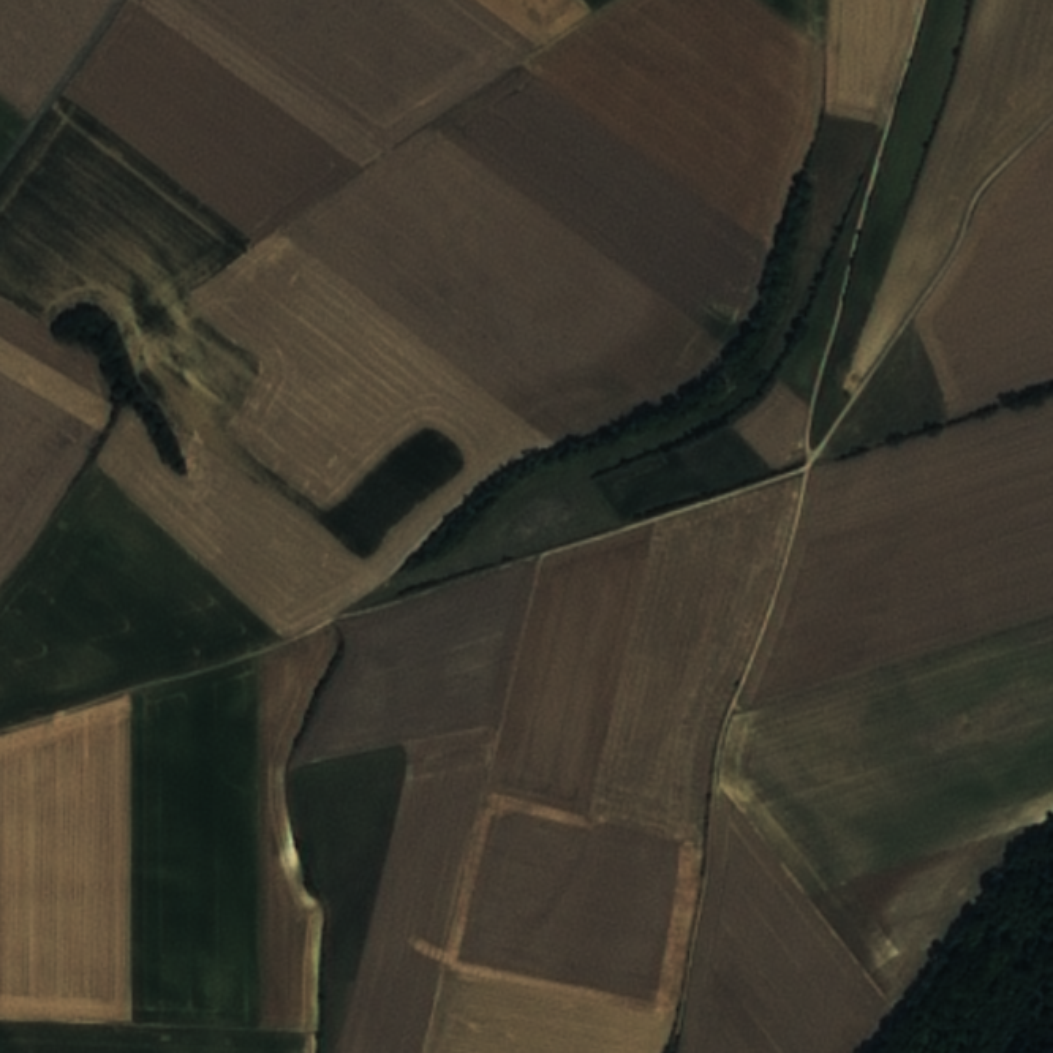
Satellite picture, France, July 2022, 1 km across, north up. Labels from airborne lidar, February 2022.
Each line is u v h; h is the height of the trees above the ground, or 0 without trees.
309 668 0
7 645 0
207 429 0
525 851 0
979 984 15
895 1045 20
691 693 0
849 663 0
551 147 0
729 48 0
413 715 0
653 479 0
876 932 0
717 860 0
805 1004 0
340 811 0
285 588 0
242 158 0
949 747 0
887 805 0
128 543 0
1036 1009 16
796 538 0
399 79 0
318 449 0
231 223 0
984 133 0
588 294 0
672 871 0
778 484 0
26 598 0
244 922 0
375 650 0
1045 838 14
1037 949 18
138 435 0
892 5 0
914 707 0
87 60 0
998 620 0
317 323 0
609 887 0
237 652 0
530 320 0
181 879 0
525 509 0
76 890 0
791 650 0
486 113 0
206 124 0
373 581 0
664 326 0
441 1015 0
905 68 0
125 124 0
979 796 0
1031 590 0
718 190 0
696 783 0
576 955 0
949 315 0
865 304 0
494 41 0
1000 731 0
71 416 0
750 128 0
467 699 0
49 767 0
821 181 0
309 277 0
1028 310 0
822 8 0
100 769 0
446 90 0
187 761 0
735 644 0
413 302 0
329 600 0
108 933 0
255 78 0
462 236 0
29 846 0
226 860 0
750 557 0
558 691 0
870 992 0
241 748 0
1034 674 0
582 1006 0
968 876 0
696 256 0
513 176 0
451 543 9
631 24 0
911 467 0
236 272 0
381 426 0
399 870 0
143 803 0
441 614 0
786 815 0
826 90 0
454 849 0
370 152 0
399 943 0
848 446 0
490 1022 0
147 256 0
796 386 0
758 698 0
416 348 0
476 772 0
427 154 0
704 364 0
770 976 0
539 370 0
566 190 0
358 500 0
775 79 0
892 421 0
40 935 0
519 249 0
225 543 0
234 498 0
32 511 0
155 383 0
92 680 0
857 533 0
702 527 0
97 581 0
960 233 0
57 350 0
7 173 0
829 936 0
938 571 0
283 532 0
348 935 0
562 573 0
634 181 0
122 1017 0
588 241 0
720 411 0
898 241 0
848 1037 0
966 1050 19
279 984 0
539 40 0
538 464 12
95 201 0
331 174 0
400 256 0
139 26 0
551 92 0
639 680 0
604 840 0
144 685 0
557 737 0
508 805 0
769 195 0
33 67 0
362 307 0
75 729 0
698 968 0
